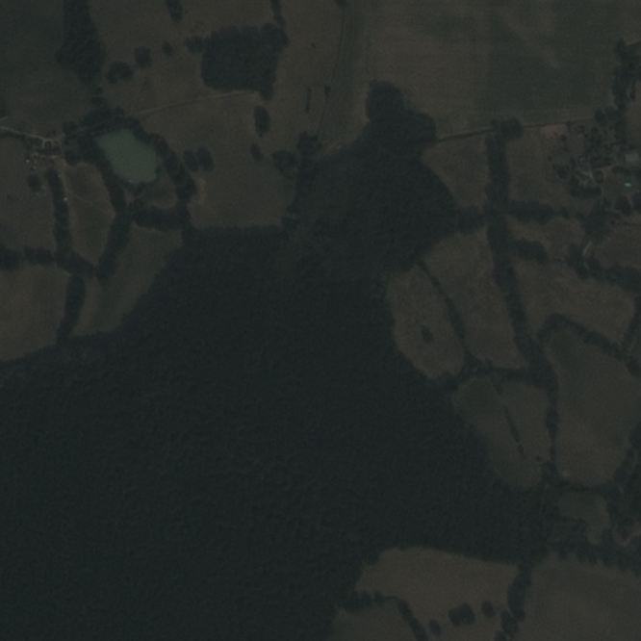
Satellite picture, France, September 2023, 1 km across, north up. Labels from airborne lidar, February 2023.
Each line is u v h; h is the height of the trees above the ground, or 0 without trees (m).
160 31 0
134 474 21
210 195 0
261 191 0
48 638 27
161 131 0
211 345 28
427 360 0
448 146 0
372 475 29
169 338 26
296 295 23
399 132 21
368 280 22
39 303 0
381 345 25
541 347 15
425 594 0
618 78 18
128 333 22
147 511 26
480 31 0
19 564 26
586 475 0
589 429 0
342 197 19
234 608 23
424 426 25
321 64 0
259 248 19
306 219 16
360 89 0
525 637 0
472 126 0
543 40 0
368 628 0
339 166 19
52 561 26
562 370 0
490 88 0
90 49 17
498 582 0
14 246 0
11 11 0
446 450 25
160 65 0
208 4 0
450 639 0
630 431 0
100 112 6
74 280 14
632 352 0
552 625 0
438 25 0
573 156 0
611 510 19
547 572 0
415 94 0
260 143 0
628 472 9
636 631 0
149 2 0
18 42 0
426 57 0
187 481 24
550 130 0
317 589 26
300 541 23
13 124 0
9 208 0
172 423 22
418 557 0
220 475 25
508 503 25
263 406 28
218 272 27
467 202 0
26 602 29
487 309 0
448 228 22
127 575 30
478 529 26
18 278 0
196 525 24
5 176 0
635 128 0
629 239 0
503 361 0
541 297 0
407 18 0
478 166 0
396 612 0
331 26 0
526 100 0
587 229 18
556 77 0
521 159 0
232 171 0
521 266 0
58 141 0
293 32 0
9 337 0
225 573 21
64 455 30
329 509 26
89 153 20
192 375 24
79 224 0
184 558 26
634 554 19
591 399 0
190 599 24
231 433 20
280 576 24
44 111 0
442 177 0
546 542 12
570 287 0
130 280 0
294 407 30
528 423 0
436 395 26
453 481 26
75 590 28
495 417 0
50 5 0
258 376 27
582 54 0
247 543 22
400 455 28
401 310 0
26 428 27
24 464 30
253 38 23
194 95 0
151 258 0
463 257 0
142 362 23
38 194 0
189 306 28
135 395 23
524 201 0
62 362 18
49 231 0
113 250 20
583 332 14
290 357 27
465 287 0
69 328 14
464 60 0
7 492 27
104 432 22
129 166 0
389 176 23
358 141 0
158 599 29
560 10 0
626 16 0
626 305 0
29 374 22
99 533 28
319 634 27
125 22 0
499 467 0
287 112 0
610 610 0
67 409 26
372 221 18
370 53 0
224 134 0
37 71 0
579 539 8
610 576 0
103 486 28
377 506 26
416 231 23
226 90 7
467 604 0
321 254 17
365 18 0
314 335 25
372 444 29
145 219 14
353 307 26
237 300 27
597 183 8
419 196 23
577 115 0
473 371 12
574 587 0
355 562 26
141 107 0
